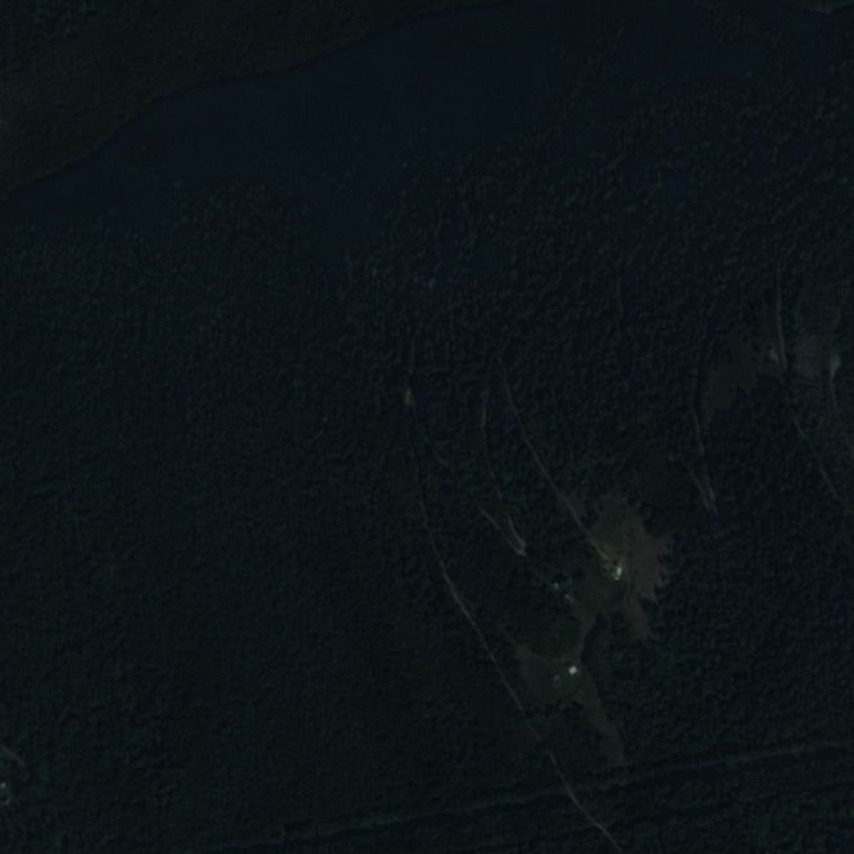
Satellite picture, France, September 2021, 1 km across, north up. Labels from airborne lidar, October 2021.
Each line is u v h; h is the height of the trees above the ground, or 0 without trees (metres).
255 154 27
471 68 18
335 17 22
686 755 16
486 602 23
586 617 0
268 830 18
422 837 25
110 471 21
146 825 17
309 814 21
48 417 19
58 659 28
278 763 24
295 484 19
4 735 26
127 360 18
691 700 19
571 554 13
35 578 31
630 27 16
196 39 15
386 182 32
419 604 21
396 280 20
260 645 19
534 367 21
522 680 9
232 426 14
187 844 26
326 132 24
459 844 20
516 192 27
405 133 29
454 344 21
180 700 27
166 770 26
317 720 17
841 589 20
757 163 19
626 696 18
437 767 28
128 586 20
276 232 21
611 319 26
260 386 18
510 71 22
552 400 15
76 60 15
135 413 18
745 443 20
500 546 19
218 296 27
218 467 18
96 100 15
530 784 16
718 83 18
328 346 27
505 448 22
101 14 25
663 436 29
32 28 23
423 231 21
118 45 22
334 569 24
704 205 33
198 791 26
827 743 12
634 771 17
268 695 19
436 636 21
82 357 23
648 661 23
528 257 26
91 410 19
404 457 21
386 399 26
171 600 19
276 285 21
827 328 8
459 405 20
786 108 26
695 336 32
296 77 17
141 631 21
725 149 21
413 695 18
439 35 22
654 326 28
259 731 19
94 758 24
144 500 17
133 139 17
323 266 28
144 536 15
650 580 0
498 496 13
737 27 10
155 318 21
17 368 22
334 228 18
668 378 17
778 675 29
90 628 22
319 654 19
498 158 20
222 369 25
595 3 12
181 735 22
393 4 24
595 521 13
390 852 26
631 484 20
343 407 20
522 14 21
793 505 26
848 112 15
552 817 28
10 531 22
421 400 20
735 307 27
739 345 0
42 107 18
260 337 27
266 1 21
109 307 18
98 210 22
